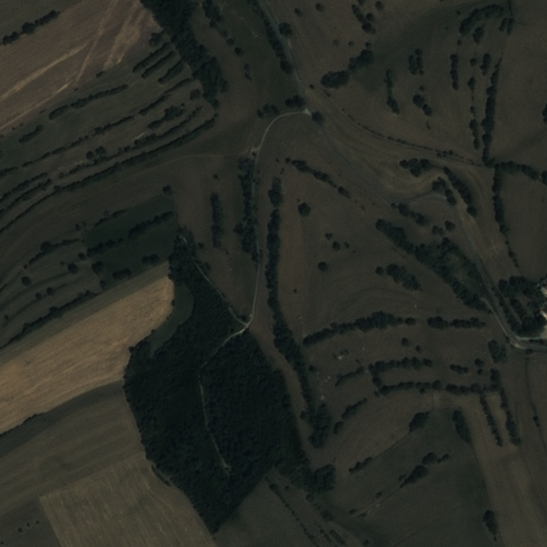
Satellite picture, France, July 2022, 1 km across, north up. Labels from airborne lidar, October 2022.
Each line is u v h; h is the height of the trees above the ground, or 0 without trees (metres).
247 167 29
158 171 0
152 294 0
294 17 0
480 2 0
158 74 0
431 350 0
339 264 0
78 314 0
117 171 14
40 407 0
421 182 0
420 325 0
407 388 7
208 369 19
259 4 24
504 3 0
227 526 0
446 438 0
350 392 0
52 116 6
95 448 0
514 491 0
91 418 0
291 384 0
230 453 15
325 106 0
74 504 0
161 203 0
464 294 22
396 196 0
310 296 0
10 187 0
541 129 0
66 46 0
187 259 17
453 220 0
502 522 0
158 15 7
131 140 0
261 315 0
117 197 0
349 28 0
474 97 0
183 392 13
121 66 0
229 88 19
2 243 0
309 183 0
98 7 0
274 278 21
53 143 0
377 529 0
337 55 0
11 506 0
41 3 0
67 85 0
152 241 0
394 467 0
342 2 0
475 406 0
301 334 0
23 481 0
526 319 24
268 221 0
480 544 0
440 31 0
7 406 0
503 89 0
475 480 0
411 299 0
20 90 0
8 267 0
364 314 0
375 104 0
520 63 0
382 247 0
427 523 0
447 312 0
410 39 0
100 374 0
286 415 6
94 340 0
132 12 0
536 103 0
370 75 0
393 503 0
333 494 0
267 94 0
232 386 6
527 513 0
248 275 0
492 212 0
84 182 7
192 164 0
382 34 0
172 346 17
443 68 0
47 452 0
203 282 13
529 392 0
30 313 0
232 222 0
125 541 0
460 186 20
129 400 9
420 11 0
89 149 0
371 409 0
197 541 0
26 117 0
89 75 0
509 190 0
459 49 0
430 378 0
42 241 0
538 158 0
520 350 0
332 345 0
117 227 0
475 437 0
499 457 0
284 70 16
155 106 14
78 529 0
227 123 0
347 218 0
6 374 0
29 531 0
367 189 0
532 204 0
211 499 9
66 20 0
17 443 0
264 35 0
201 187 0
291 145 0
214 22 6
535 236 0
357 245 0
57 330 0
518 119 0
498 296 14
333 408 0
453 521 0
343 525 0
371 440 0
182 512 0
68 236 0
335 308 0
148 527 0
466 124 0
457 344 0
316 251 0
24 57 0
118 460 0
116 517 0
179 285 13
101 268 18
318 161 0
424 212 0
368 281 0
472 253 0
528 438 0
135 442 0
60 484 0
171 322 0
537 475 0
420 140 0
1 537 0
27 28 15
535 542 0
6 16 0
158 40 13
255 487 7
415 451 0
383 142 0
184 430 13
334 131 0
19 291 0
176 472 9
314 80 0
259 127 0
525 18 0
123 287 0
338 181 0
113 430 0
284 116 0
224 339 7
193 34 7
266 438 7
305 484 8
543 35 0
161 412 9
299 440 5
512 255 13
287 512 0
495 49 0
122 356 0
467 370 12
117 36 0
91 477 0
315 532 0
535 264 0
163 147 8
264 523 0
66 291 0
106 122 0
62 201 0
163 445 8
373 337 0
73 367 0
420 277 0
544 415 0
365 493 0
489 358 0
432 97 0
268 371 7
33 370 0
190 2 27
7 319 13
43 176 7
